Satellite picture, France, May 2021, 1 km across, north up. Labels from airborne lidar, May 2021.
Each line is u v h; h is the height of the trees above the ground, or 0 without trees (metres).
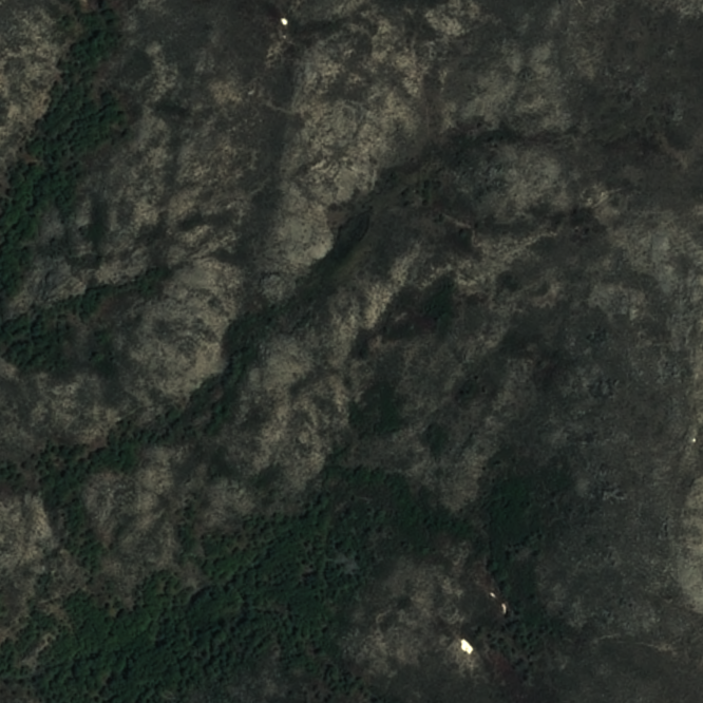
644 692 0
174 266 0
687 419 0
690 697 0
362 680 7
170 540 0
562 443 0
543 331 0
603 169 0
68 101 12
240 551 12
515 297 0
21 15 0
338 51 0
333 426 0
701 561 0
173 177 0
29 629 12
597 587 0
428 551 8
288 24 0
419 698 0
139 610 17
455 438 0
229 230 0
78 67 13
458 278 0
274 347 0
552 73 0
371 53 0
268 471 0
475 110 0
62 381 0
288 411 0
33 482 0
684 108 0
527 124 0
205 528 0
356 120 0
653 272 0
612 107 0
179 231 0
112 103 9
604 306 0
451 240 0
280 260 0
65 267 0
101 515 0
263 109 0
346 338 0
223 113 0
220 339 0
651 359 0
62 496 12
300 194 0
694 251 0
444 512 6
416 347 0
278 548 14
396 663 0
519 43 0
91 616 16
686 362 0
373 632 0
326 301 0
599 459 0
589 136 0
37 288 0
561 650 0
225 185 0
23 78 0
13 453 0
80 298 10
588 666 0
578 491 0
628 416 0
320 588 11
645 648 0
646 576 0
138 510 0
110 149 0
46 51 0
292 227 0
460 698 0
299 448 0
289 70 0
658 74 0
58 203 12
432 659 0
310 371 0
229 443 0
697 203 0
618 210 0
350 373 0
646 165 0
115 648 15
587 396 0
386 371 0
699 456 0
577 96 0
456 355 0
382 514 11
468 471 0
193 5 0
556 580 0
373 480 8
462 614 0
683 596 0
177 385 0
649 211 0
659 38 0
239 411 0
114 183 0
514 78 0
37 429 0
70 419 0
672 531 0
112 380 0
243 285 0
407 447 0
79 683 19
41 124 13
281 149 0
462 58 0
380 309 0
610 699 0
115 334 0
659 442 0
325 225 0
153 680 16
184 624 11
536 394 0
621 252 0
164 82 0
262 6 0
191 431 7
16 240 13
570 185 0
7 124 0
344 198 0
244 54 0
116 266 0
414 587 0
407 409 0
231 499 0
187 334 0
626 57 0
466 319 0
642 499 0
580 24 0
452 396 0
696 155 0
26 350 16
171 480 0
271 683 0
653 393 0
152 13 0
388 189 0
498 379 0
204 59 0
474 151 0
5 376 0
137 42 0
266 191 0
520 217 0
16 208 20
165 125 0
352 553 12
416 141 0
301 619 15
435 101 0
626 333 0
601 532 0
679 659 0
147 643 19
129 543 0
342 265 0
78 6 12
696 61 0
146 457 0
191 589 10
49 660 13
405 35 0
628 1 0
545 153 0
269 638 6
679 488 0
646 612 0
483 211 0
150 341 0
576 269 0
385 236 0
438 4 0
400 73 0
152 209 0
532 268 0
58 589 0
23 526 0
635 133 0
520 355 0
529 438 0
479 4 0
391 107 0
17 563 0
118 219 0
